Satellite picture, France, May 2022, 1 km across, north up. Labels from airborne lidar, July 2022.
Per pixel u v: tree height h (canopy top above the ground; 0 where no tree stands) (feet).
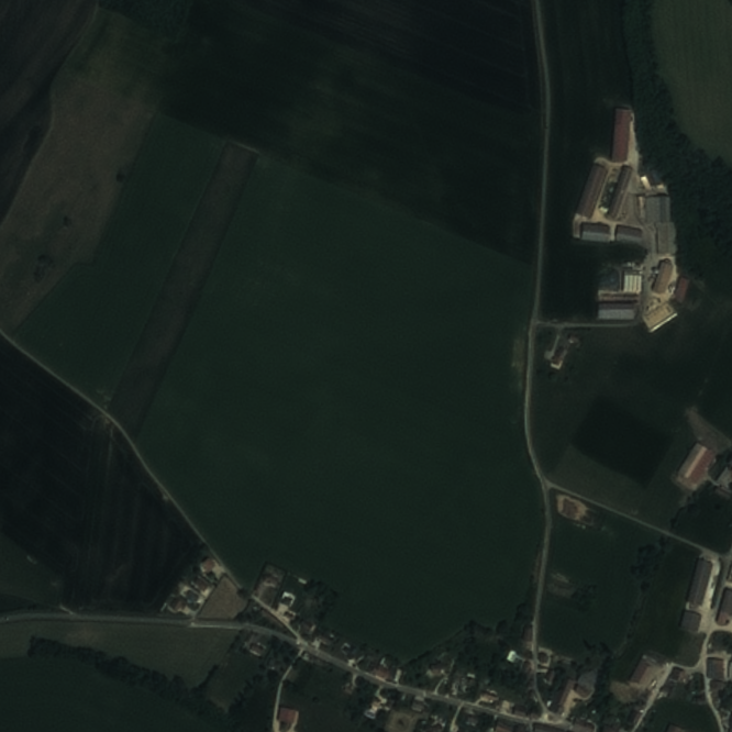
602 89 0
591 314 0
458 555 0
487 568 0
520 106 0
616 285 0
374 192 0
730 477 0
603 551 0
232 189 0
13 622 0
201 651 0
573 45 0
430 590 0
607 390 0
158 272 0
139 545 0
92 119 0
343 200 0
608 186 0
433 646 0
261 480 0
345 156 0
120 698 0
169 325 0
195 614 0
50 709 0
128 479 0
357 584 0
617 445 0
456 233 0
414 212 0
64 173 0
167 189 0
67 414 0
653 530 0
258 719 0
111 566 0
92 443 0
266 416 0
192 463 0
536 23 0
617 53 0
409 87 0
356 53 0
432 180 0
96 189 0
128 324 0
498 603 0
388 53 0
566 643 0
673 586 0
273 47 0
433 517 0
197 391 0
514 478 0
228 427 0
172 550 0
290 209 0
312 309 0
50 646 39
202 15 0
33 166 0
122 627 0
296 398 0
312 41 0
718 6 0
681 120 0
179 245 0
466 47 0
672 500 0
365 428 0
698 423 0
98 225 0
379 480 0
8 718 0
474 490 0
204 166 0
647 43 60
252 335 0
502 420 0
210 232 0
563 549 0
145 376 0
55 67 0
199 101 0
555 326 0
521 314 0
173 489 0
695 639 0
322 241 0
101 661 42
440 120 0
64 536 0
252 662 0
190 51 0
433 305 0
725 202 83
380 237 0
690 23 0
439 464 0
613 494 0
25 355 0
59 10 0
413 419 0
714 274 0
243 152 0
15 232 0
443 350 0
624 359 0
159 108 0
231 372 0
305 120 0
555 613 0
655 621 0
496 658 23
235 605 0
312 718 0
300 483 0
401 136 0
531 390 0
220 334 0
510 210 0
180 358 0
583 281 0
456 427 0
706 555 0
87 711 0
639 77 37
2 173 0
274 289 0
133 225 0
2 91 0
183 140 0
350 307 0
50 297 0
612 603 0
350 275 0
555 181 0
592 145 0
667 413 0
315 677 0
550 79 0
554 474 0
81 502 0
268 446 0
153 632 0
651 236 0
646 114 72
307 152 0
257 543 0
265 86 0
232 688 0
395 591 0
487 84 0
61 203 0
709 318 0
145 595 0
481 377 0
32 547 0
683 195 59
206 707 48
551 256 0
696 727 0
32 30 0
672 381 0
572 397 0
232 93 0
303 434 0
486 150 0
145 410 0
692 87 0
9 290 0
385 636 0
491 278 0
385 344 0
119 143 0
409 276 0
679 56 0
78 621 0
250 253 0
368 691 63
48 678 0
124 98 0
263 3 0
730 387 0
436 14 0
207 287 0
